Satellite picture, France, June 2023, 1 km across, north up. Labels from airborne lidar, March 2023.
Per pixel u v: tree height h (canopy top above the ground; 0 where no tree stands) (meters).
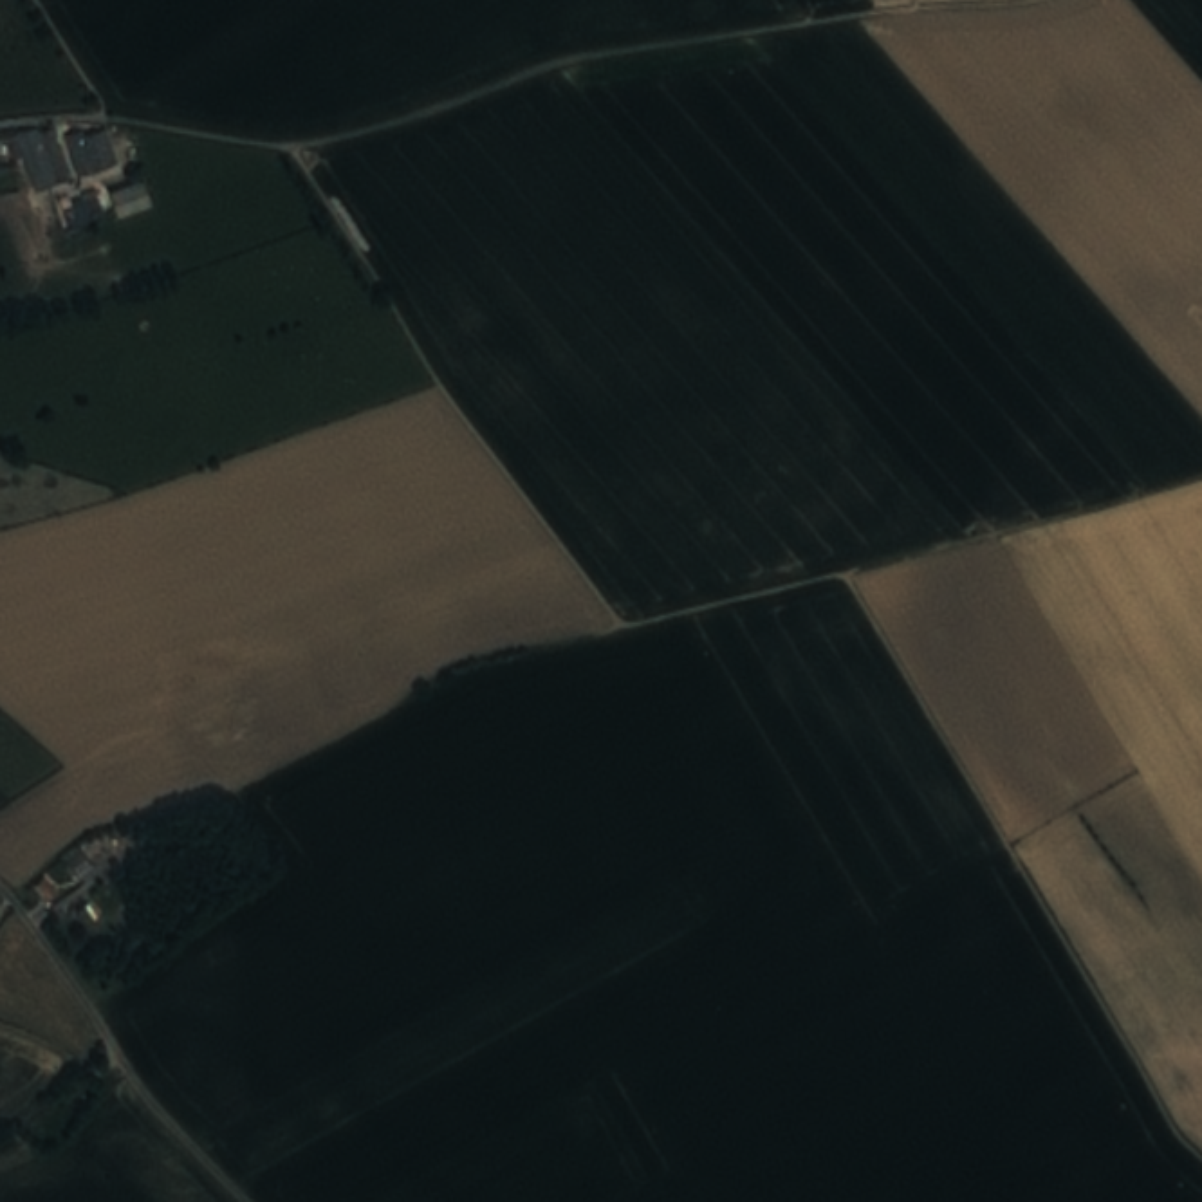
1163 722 0
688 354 0
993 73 0
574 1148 0
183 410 0
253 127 0
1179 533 0
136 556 0
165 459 0
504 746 0
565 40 0
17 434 0
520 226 0
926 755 0
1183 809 0
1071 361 0
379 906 0
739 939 0
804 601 0
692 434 0
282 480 0
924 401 0
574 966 0
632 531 0
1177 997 0
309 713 0
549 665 0
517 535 0
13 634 0
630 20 0
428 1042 0
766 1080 0
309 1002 0
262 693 0
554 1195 0
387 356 0
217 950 0
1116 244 0
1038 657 0
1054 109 0
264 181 0
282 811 0
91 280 0
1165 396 0
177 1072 0
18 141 0
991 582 0
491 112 0
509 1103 0
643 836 0
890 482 0
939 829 0
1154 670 0
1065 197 0
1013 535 0
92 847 0
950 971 0
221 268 0
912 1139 0
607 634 0
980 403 0
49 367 0
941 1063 0
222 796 20
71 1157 0
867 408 0
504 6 0
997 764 0
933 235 0
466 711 0
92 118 0
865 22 0
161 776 0
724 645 0
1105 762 0
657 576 0
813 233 0
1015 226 0
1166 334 0
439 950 0
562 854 0
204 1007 0
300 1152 0
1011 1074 0
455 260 0
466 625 0
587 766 0
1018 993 0
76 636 0
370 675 0
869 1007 0
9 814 0
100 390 0
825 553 0
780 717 0
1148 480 0
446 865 0
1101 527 0
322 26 0
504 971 0
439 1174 0
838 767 0
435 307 0
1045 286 0
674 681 0
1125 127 0
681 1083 0
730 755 0
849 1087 0
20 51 0
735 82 0
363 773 0
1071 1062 0
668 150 0
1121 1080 0
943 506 0
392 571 0
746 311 0
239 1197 0
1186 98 0
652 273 0
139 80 0
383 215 0
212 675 0
